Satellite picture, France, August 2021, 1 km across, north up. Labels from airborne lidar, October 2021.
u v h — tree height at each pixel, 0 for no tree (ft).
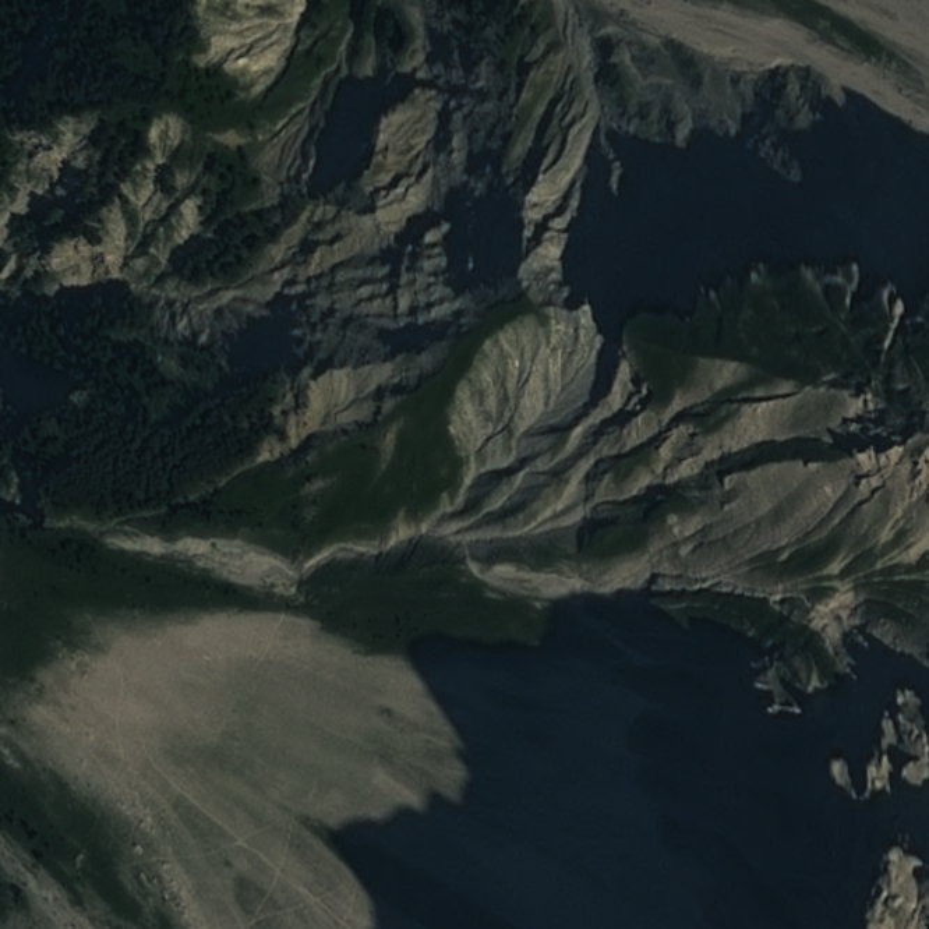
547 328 0
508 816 0
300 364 0
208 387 0
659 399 0
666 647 0
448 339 0
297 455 26
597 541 0
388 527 0
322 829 0
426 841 0
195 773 0
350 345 0
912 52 0
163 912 0
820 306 0
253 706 0
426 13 0
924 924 0
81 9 49
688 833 0
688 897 0
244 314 0
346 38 0
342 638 0
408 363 0
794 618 0
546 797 0
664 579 0
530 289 0
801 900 0
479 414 0
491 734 0
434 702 0
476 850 0
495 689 0
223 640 0
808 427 0
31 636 0
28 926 0
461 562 0
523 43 0
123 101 23
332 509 0
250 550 0
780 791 0
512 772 0
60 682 0
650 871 0
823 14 0
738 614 0
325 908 0
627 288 0
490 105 0
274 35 0
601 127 0
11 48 56
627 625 0
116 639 0
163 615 0
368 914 0
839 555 0
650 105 0
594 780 0
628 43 0
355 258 0
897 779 0
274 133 0
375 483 0
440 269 0
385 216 0
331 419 0
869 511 0
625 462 0
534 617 0
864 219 0
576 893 0
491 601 0
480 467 0
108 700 0
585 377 0
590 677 0
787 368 0
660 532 0
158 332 0
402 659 0
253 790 0
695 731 0
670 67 0
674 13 0
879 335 0
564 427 0
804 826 0
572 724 0
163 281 20
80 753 0
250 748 0
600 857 0
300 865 0
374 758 0
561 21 0
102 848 0
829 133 0
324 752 0
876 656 0
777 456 0
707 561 0
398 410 0
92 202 49
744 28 0
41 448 32
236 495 0
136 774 0
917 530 0
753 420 0
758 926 0
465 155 0
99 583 0
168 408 0
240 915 0
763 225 0
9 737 0
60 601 0
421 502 0
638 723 0
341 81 0
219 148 0
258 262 0
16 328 22
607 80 0
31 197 0
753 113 0
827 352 0
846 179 0
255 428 42
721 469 0
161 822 0
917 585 0
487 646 0
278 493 0
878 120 0
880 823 0
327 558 0
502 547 0
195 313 0
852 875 0
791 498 0
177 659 0
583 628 0
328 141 0
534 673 0
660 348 0
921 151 0
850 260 0
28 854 0
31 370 32
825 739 0
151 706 0
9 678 0
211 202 37
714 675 0
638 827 0
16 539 20
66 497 76
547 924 0
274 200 0
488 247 0
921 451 0
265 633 0
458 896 0
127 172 40
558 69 0
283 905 0
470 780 0
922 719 0
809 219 0
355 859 0
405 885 0
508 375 0
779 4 0
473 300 0
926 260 0
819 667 0
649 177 0
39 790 0
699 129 0
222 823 0
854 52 0
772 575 0
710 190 0
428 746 0
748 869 0
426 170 0
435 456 0
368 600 0
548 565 0
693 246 0
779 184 0
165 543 0
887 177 0
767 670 0
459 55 0
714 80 0
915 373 0
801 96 0
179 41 41
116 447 77
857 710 0
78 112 32
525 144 0
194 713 0
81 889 0
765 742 0
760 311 0
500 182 0
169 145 0
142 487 86
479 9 42
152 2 47
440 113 0
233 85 0
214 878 0
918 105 0
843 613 0
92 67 44
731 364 0
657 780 0
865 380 0
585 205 0
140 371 61
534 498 0
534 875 0
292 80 0
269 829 0
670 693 0
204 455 102
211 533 0
